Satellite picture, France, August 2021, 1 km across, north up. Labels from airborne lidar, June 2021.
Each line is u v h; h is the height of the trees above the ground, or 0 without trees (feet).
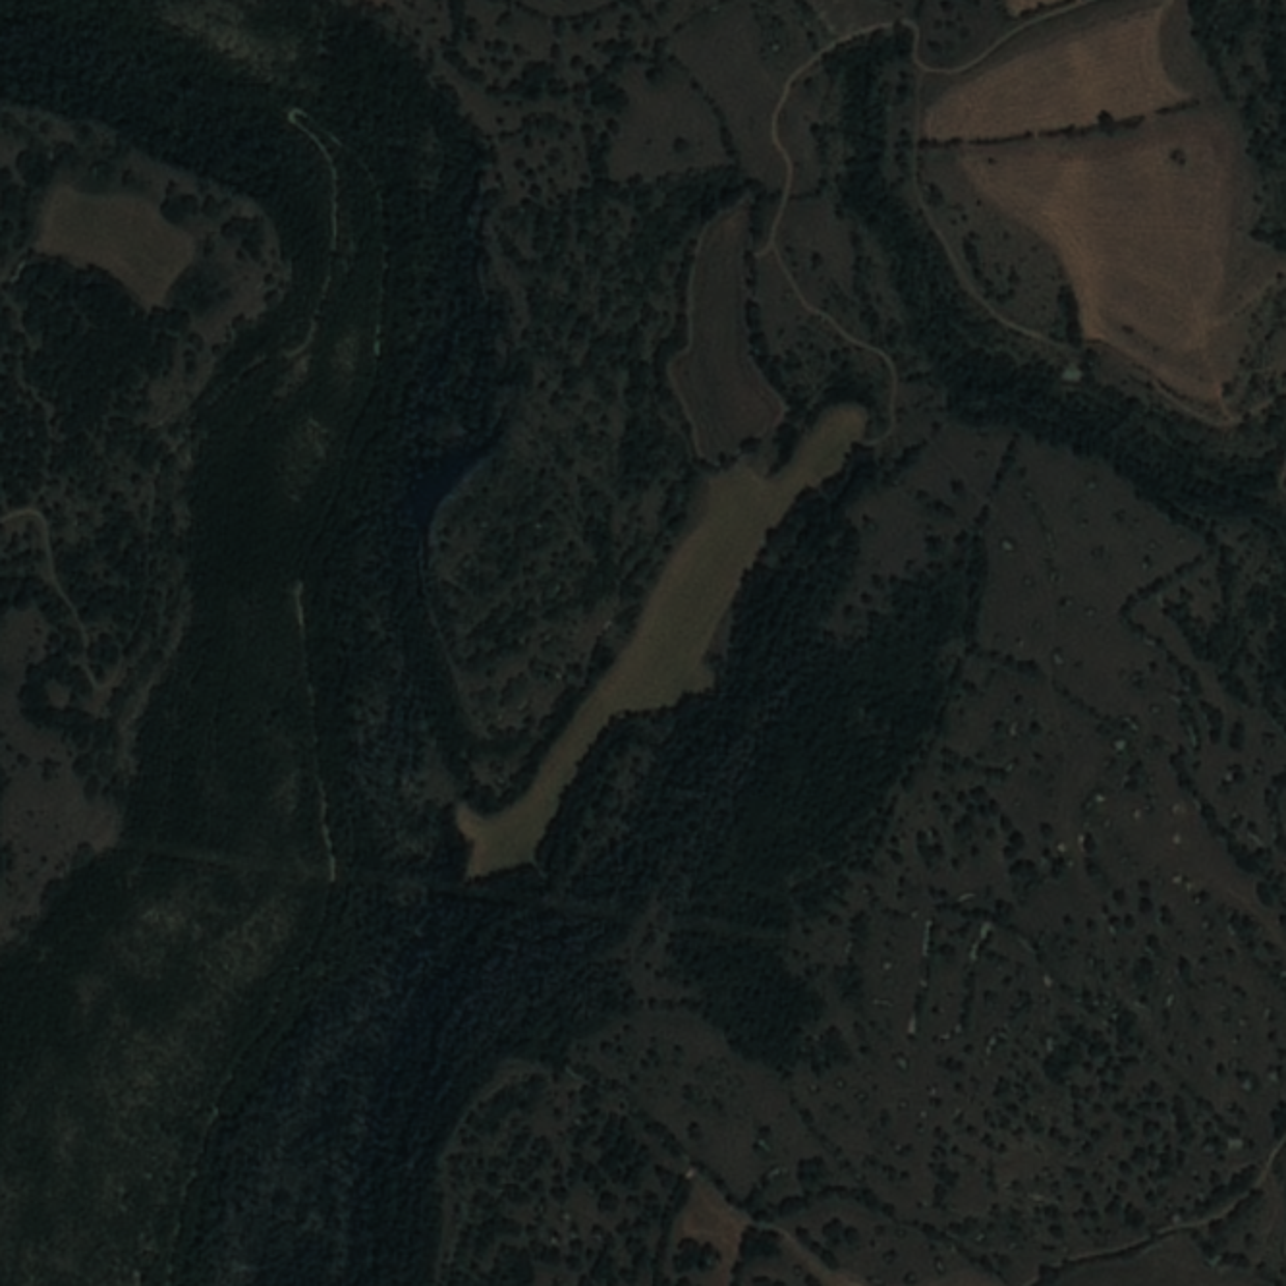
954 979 0
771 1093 0
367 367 21
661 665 0
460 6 28
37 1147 27
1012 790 0
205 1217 22
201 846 18
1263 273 0
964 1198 0
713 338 0
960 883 0
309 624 32
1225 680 27
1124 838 0
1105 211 0
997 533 0
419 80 37
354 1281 19
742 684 28
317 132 25
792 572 30
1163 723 0
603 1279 30
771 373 22
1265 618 27
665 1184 22
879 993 0
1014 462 24
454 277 19
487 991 39
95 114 36
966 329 24
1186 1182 0
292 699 23
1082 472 0
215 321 0
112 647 30
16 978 28
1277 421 30
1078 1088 18
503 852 0
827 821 19
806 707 26
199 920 20
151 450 32
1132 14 0
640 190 24
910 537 0
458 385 36
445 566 0
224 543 39
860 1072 0
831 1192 26
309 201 24
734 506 0
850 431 0
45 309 28
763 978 21
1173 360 0
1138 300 0
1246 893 0
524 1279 20
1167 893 0
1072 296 26
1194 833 0
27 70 31
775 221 0
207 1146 31
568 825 33
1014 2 0
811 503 35
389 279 31
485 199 25
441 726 23
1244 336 0
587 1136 29
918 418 0
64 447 20
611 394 23
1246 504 31
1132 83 0
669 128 0
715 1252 25
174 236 0
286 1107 26
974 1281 0
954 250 0
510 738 24
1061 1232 21
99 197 0
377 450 29
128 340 25
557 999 20
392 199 30
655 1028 0
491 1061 20
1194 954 0
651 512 0
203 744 18
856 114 32
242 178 33
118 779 25
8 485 26
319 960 34
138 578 23
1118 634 0
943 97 0
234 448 31
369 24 32
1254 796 0
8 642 0
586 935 33
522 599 21
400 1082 27
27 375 18
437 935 30
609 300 25
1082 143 0
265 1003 24
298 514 30
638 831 35
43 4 33
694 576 0
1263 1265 22
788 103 0
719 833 17
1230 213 0
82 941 27
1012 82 0
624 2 26
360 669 31
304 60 20
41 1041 21
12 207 29
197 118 37
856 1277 0
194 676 24
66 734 19
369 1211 25
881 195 23
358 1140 20
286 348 23
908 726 26
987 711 0
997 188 0
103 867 37
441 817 21
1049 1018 0
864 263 22
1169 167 0
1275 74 31
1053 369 22
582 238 23
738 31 0
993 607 0
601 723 0
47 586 23
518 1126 19
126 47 22
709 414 0
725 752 32
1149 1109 19
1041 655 0
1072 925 21
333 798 29
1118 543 0
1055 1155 0
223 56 19
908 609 19
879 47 30
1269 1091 0
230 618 24
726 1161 0
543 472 20
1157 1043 0
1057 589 0
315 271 29
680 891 25
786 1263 0
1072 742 0
